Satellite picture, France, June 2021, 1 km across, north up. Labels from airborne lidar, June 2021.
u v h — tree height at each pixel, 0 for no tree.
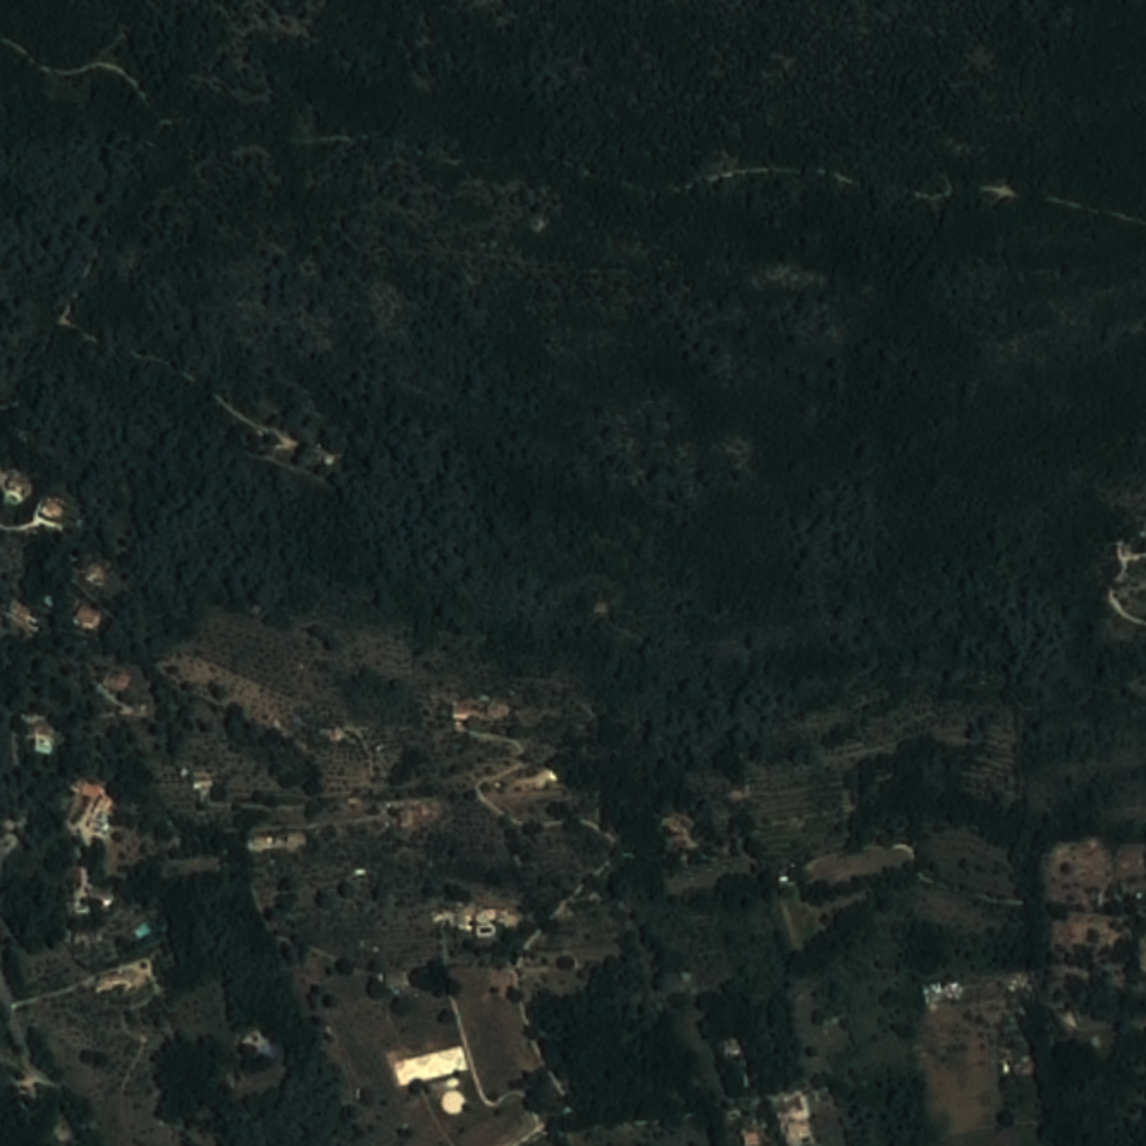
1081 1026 0
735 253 7
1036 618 23
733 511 6
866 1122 14
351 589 10
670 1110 13
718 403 9
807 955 13
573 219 10
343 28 18
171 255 9
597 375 8
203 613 12
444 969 13
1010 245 8
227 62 13
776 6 9
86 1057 12
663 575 8
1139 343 6
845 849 7
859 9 15
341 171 13
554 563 10
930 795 8
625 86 9
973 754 11
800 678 11
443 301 10
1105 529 8
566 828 8
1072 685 12
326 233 8
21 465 11
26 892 16
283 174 12
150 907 19
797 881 10
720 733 23
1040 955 11
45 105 12
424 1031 0
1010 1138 0
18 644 16
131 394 11
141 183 12
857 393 8
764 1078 19
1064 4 7
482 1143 0
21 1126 16
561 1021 16
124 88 10
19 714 7
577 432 14
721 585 10
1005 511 11
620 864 11
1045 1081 17
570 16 9
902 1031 13
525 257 7
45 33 10
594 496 6
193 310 12
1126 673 8
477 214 6
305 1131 18
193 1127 18
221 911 18
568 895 11
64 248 16
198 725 7
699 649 6
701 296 7
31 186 19
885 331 9
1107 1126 12
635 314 8
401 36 11
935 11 7
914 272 15
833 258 7
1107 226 6
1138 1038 12
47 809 21
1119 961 8
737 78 10
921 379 14
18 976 15
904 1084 11
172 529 17
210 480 15
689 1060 17
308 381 7
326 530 17
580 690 6
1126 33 9
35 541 7
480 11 7
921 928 9
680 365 8
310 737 6
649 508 8
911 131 12
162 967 7
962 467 11
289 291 14
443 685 7
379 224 6
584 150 13
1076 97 6
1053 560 8
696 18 11
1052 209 9
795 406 6
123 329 16
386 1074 0
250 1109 15
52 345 10
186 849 11
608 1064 16
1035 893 9
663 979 19
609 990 15
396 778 12
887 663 8
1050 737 9
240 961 20
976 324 8
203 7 7
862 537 15
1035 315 6
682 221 8
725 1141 8
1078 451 7
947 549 13
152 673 11
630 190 10
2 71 10
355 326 6
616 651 9
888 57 12
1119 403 8
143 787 15
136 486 14
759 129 9
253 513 14
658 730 20
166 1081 15
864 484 12
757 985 6
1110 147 9
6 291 15
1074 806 7
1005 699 10
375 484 17
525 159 12
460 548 9
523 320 8
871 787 12
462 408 7
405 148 13
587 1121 17
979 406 6
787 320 15
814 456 10
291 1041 17
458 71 10
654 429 12
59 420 12
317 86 14
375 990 14
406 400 10
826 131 7
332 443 15
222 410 9
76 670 12
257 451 9
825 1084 9
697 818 15
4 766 15
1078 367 6
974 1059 0
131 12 9
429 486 8
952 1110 0
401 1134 12
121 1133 0
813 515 7
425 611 11
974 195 12
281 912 18
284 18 14
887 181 14
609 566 10
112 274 8
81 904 7
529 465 7
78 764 16
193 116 14
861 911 13
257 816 8
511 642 13
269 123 15
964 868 12
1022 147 8
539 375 11
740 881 13
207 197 6
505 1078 0
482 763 8
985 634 11
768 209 12
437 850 7
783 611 7
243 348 9
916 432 9
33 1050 13
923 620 20
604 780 13
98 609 11
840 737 12
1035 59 7
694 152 13
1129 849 0
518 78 10
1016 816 11
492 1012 0
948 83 11
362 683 12
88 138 22
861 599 6
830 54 9
